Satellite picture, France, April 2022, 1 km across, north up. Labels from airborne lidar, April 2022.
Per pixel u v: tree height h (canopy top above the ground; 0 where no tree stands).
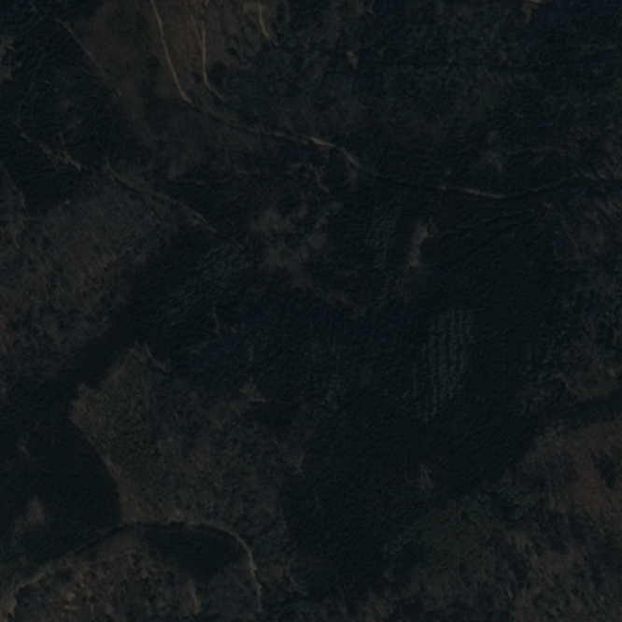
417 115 25
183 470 26
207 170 16
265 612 28
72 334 25
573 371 24
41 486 18
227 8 10
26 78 10
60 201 12
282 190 12
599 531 21
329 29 26
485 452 20
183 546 15
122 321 19
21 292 20
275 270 12
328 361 25
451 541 19
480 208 15
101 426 8
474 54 27
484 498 20
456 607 22
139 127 11
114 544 14
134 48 8
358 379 27
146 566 11
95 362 23
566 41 30
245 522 25
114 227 30
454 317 26
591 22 25
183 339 19
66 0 21
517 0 26
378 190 18
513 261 16
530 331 20
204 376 26
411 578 17
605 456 25
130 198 31
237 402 26
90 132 11
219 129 18
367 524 16
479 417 18
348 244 15
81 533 13
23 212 18
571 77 28
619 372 11
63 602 41
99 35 8
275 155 22
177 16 19
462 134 24
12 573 15
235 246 14
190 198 8
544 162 10
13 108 12
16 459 12
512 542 16
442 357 24
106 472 17
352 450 18
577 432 22
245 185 13
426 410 18
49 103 12
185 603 29
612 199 27
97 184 8
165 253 12
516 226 7
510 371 19
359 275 11
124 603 34
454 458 20
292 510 21
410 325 20
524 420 19
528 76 28
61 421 13
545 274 19
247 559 27
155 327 18
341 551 21
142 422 9
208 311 15
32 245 22
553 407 22
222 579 27
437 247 11
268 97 28
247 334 25
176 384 23
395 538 15
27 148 16
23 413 22
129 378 9
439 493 14
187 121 18
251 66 28
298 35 28
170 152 16
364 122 23
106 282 9
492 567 23
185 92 21
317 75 31
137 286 16
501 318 22
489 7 27
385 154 27
